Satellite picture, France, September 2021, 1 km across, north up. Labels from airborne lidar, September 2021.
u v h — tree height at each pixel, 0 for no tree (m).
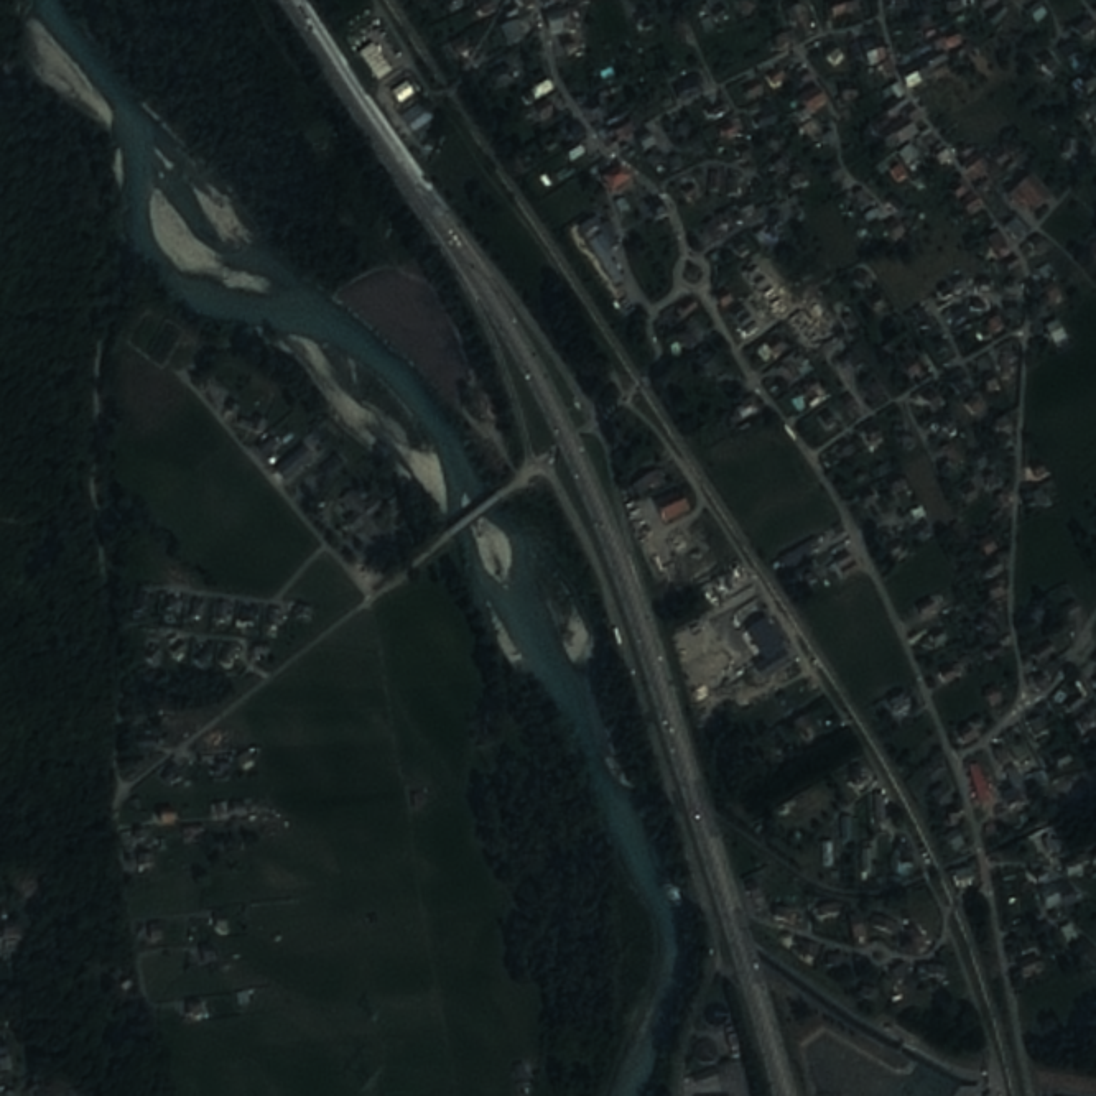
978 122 0
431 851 0
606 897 22
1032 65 17
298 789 0
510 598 0
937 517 0
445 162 0
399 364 0
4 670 23
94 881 21
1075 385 0
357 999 0
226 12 20
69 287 26
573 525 0
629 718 17
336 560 0
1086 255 14
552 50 0
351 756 0
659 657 0
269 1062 0
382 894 0
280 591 0
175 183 0
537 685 12
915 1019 7
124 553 24
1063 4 0
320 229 24
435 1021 0
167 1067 28
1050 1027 14
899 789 0
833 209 0
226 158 6
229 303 0
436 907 0
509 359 0
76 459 31
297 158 19
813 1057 0
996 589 0
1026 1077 0
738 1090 0
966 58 8
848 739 9
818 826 8
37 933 8
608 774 0
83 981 25
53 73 0
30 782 20
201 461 0
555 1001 12
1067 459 0
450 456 0
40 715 18
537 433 0
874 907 7
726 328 0
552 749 26
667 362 8
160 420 0
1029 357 10
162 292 13
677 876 8
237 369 0
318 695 0
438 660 0
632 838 0
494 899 0
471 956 0
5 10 21
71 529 25
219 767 0
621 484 10
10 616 22
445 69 7
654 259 7
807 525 0
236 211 0
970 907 12
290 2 0
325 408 24
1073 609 0
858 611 0
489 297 0
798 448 0
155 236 0
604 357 9
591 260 0
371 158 20
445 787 0
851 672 0
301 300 0
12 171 20
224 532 0
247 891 0
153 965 0
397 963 0
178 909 0
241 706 0
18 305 25
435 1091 0
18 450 26
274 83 10
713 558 0
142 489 0
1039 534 0
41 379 30
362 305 0
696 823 0
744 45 0
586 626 0
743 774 26
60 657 19
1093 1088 0
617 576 0
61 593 27
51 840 19
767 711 0
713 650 0
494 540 0
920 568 0
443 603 0
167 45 15
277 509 0
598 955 21
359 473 0
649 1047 0
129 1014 15
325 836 0
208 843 7
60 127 28
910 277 0
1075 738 9
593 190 11
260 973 0
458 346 0
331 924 0
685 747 0
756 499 0
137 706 18
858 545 0
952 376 12
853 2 0
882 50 0
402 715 0
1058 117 13
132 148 0
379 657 0
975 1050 9
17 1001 18
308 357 0
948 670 0
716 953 0
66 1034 26
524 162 6
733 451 0
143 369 0
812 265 0
